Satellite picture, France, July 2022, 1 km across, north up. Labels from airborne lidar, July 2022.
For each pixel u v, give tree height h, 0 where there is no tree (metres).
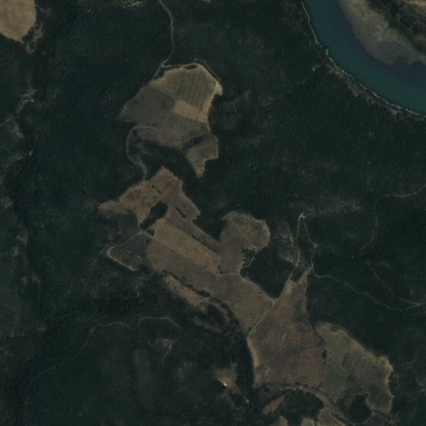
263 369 0
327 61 9
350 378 0
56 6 11
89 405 6
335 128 7
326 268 9
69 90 6
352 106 9
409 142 8
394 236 13
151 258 0
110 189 6
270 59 6
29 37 6
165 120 0
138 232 0
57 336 17
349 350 0
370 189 9
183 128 0
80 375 7
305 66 6
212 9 6
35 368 9
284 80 6
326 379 0
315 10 0
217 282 0
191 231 0
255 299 0
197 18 6
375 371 0
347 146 7
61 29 14
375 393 0
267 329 0
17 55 7
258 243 0
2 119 6
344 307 6
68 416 6
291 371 0
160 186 0
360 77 0
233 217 0
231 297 0
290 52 8
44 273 8
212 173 9
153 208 7
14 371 11
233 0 7
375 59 0
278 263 6
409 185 6
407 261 7
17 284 7
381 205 9
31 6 0
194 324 7
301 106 6
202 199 6
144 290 8
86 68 6
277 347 0
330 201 7
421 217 13
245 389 6
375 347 6
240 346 6
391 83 0
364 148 7
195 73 0
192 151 0
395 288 6
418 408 5
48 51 14
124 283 6
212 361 6
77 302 12
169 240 0
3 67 6
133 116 0
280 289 7
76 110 6
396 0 6
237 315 0
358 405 7
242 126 10
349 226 6
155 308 7
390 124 7
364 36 0
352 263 10
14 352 8
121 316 7
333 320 5
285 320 0
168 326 5
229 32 7
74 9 11
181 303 7
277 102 7
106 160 7
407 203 6
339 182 7
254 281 6
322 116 7
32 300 10
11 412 16
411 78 0
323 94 6
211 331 6
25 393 11
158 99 0
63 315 10
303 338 0
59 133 5
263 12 7
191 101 0
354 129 7
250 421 7
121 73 5
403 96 0
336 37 0
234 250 0
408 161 6
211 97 0
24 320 6
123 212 0
